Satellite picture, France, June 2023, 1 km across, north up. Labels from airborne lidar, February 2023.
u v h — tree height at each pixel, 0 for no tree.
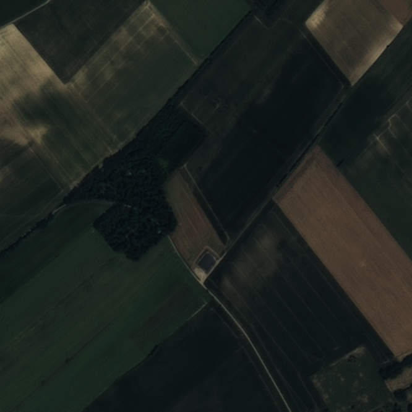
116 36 0
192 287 0
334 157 0
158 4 0
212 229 0
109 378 0
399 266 0
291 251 0
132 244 19
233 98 0
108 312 0
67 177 0
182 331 0
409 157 0
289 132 0
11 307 0
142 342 0
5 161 0
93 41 0
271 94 0
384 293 0
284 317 0
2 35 0
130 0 0
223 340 0
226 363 0
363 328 0
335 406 0
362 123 0
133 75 0
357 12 0
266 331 0
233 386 0
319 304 0
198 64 0
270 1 0
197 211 0
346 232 0
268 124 0
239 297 0
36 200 0
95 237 0
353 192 0
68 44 0
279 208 0
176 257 0
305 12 0
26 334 0
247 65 0
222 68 0
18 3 0
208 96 0
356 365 0
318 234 0
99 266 0
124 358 0
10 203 0
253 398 0
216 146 0
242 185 0
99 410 0
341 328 0
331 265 0
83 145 0
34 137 0
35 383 0
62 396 0
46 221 14
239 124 0
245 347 0
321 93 0
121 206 17
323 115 0
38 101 0
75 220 0
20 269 0
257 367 0
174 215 8
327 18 0
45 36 0
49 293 0
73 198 15
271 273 0
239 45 0
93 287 0
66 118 0
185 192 0
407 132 0
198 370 0
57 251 0
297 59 0
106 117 0
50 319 0
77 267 0
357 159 0
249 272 0
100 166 0
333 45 0
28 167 0
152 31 0
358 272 0
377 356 0
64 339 0
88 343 0
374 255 0
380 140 0
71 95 0
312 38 0
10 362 0
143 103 0
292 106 0
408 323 0
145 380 0
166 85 0
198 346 0
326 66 0
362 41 0
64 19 0
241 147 0
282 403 0
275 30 0
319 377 0
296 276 0
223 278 0
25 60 0
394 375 17
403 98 0
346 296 0
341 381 0
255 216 0
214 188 0
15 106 0
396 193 0
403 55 0
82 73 0
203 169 0
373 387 0
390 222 0
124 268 0
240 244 0
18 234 0
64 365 0
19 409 0
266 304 0
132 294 0
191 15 0
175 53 0
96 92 0
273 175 0
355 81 0
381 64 0
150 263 0
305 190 0
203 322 0
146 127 8
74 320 0
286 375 0
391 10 0
